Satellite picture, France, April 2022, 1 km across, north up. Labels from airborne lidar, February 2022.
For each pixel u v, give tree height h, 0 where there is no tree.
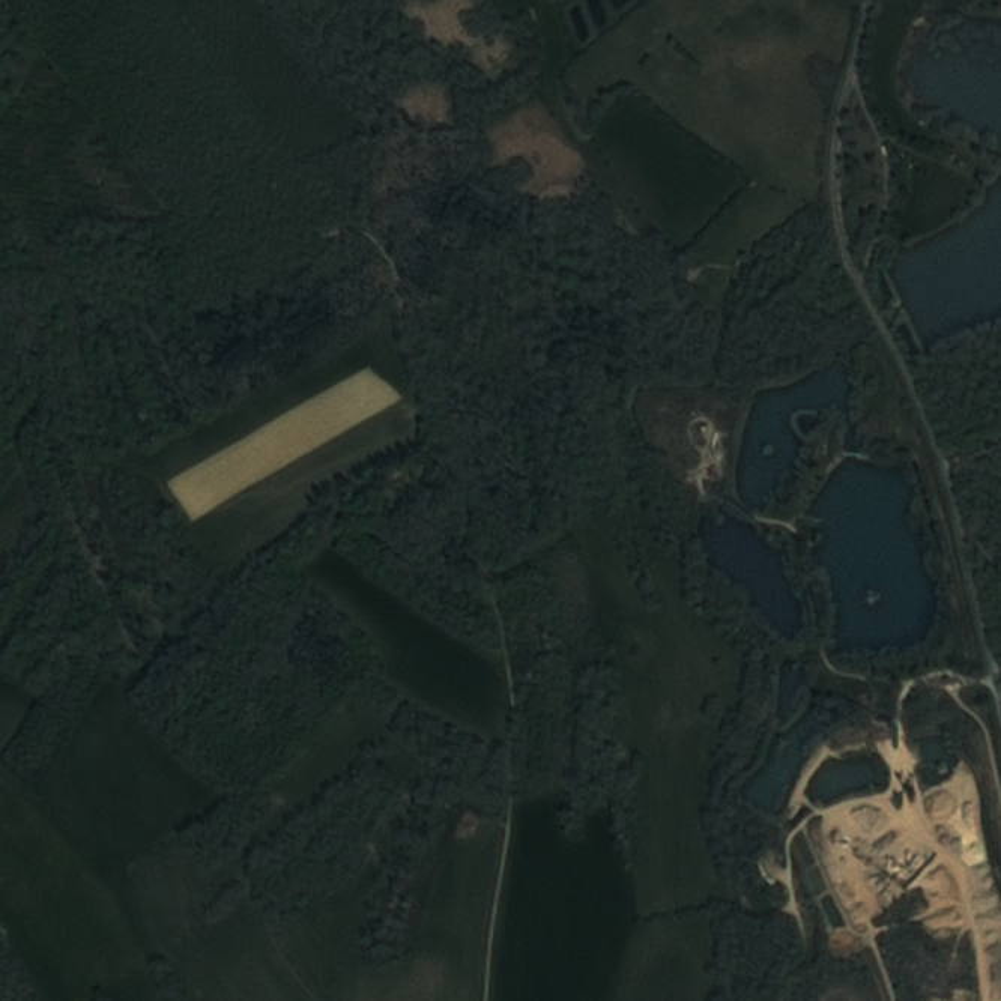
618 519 25
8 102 20
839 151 0
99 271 30
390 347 0
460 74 21
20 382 24
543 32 0
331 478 0
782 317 25
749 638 9
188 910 0
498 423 30
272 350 26
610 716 22
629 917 0
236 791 17
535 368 25
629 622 0
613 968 0
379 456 0
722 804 18
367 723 0
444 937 0
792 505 12
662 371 20
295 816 0
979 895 0
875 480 0
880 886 0
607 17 0
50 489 22
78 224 24
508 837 0
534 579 26
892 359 0
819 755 21
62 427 28
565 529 26
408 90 22
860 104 0
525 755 8
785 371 21
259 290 19
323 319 22
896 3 0
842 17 0
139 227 15
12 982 25
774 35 0
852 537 0
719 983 16
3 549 0
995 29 6
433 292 26
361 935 0
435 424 23
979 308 0
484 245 27
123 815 0
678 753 0
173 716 23
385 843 0
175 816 0
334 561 0
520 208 6
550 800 0
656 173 0
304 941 0
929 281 0
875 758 9
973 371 24
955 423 25
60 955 0
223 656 15
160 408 27
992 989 0
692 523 0
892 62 0
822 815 0
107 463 22
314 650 26
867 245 18
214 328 31
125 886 0
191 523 0
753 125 0
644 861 0
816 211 7
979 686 23
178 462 0
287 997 0
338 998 0
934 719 0
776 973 22
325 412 0
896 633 0
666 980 0
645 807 0
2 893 0
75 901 0
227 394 19
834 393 0
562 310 20
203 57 13
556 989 0
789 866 0
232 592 26
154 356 32
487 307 20
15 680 18
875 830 0
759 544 0
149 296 26
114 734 0
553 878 0
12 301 34
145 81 16
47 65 5
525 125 0
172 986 18
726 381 18
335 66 20
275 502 0
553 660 18
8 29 20
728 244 0
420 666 0
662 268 30
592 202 14
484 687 0
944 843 0
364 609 0
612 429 26
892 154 8
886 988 0
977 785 0
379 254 15
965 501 18
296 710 20
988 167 0
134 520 22
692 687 0
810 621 21
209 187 12
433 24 0
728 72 0
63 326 23
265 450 0
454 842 0
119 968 0
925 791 0
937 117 16
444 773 22
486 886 0
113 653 24
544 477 26
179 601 27
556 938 0
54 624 25
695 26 0
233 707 13
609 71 0
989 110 0
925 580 0
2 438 28
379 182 26
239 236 18
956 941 0
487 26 5
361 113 24
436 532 32
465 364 28
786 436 0
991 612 16
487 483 28
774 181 0
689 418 0
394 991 0
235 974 0
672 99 0
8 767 5
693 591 21
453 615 19
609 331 35
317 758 0
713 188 0
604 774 27
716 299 0
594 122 6
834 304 22
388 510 21
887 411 0
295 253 18
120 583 28
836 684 0
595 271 20
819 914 12
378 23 15
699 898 0
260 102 6
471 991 0
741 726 19
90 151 0
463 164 21
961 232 0
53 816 0
